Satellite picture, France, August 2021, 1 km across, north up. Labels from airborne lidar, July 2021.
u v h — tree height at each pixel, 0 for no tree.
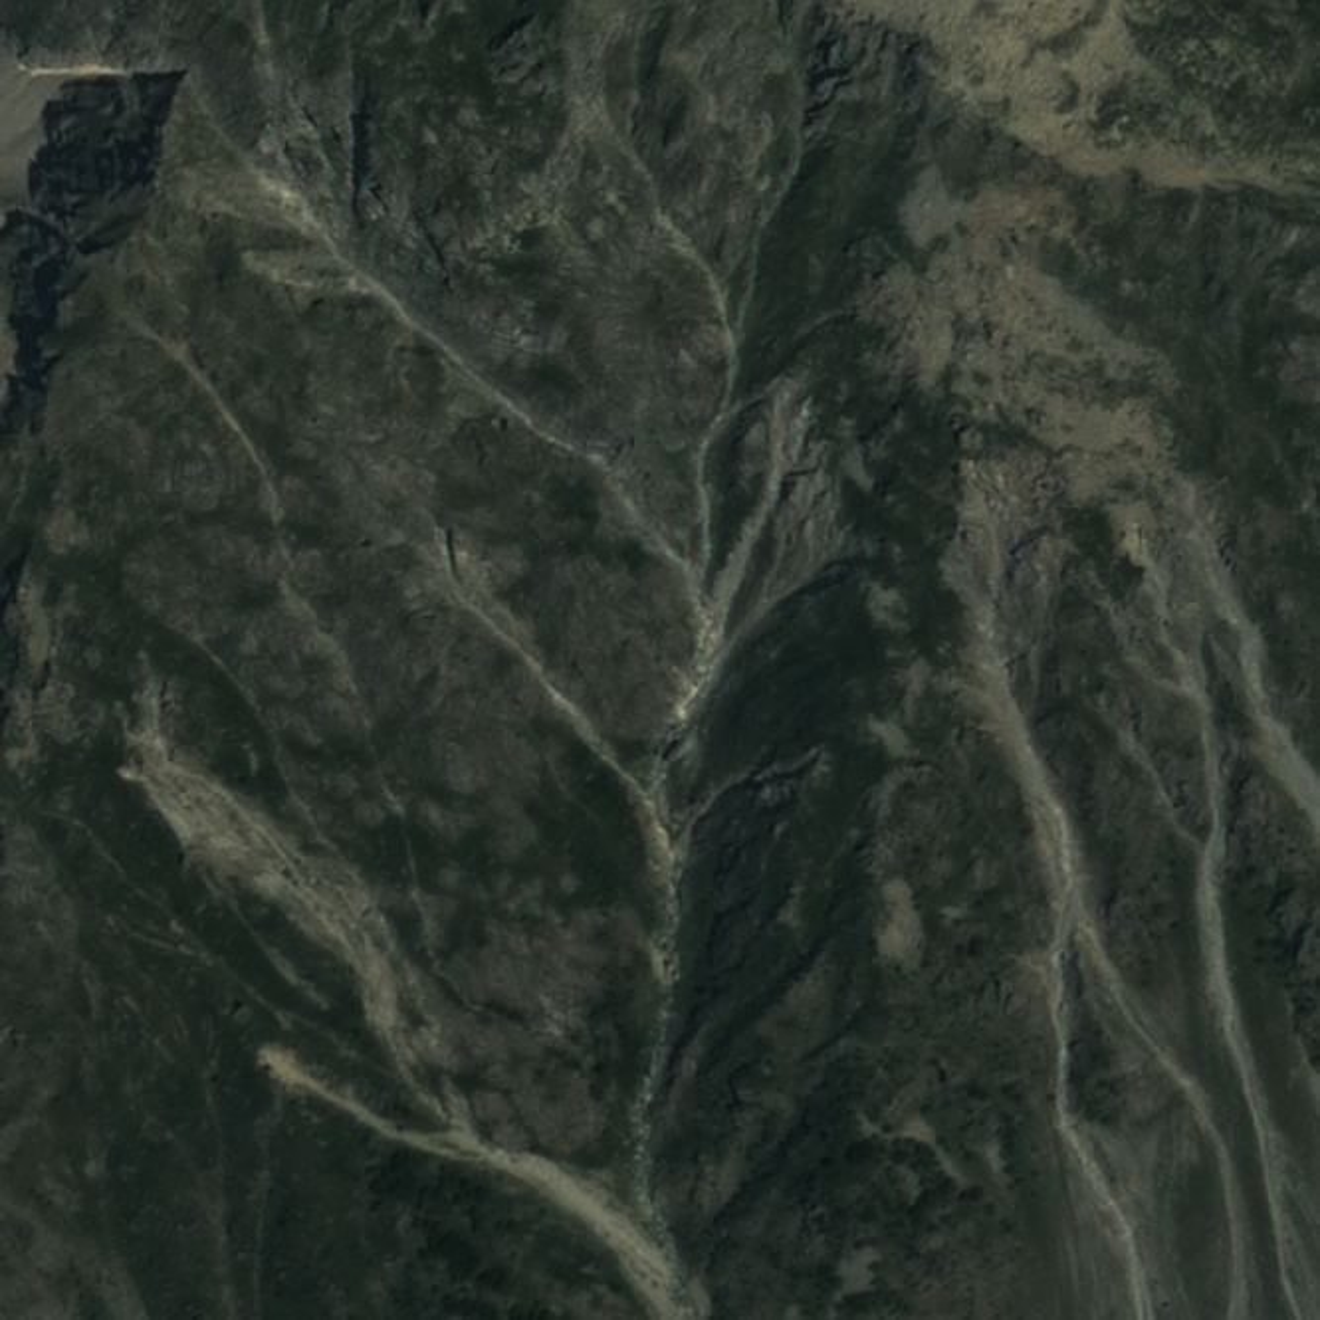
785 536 0
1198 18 0
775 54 0
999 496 0
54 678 0
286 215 0
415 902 0
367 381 0
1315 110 0
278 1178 0
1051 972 0
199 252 0
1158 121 0
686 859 0
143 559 0
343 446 0
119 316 0
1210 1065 0
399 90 0
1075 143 0
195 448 0
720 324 0
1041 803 0
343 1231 0
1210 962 0
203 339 0
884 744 0
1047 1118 0
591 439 0
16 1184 0
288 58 0
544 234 0
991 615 0
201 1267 0
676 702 0
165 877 0
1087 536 0
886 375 0
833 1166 8
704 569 0
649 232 0
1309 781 0
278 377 0
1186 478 0
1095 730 0
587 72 0
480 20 0
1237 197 0
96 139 0
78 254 0
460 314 0
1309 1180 0
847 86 0
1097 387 0
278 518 0
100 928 0
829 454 0
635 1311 0
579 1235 0
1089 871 0
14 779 0
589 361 0
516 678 0
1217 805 0
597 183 0
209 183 0
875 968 0
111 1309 0
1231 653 0
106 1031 0
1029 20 0
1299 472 0
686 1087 0
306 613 0
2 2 0
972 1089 6
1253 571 0
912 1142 7
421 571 0
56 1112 0
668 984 0
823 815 0
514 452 0
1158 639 0
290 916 0
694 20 0
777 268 0
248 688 0
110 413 0
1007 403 0
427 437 0
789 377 0
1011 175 0
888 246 0
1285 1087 0
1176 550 0
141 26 0
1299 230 0
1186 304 0
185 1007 0
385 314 0
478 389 0
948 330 0
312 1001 0
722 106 0
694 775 0
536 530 0
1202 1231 0
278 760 0
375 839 0
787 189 0
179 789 0
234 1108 0
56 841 0
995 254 0
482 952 0
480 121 0
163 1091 0
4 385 0
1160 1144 0
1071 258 0
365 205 0
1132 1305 0
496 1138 0
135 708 0
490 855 0
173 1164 0
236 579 0
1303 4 0
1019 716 0
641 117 0
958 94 0
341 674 0
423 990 0
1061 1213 0
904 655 0
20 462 0
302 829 0
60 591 0
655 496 0
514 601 0
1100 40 0
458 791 0
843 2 0
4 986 0
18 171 0
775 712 0
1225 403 0
